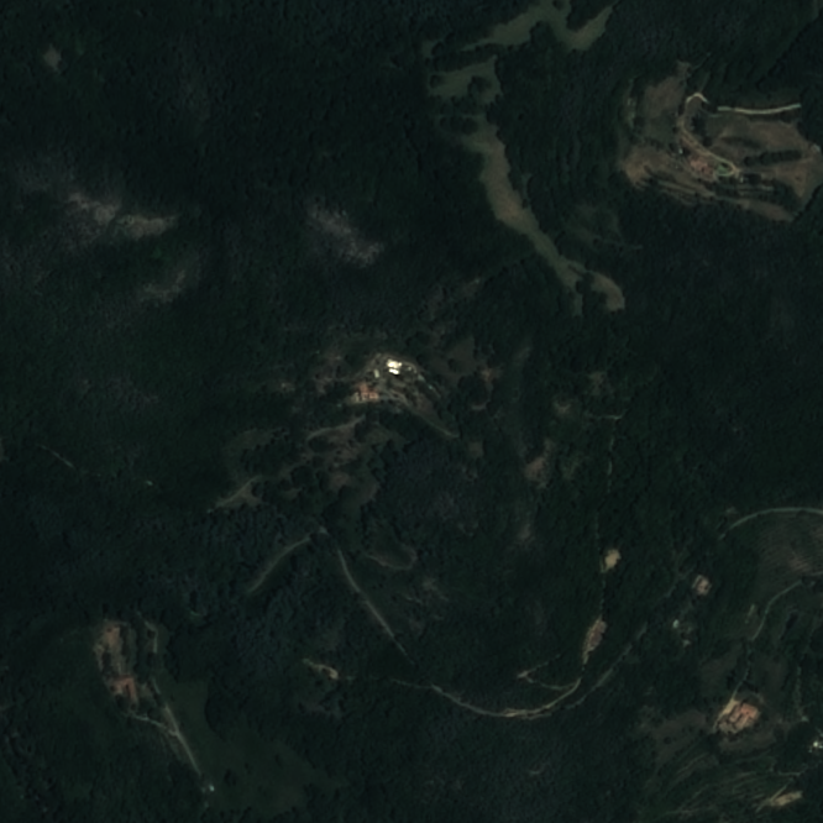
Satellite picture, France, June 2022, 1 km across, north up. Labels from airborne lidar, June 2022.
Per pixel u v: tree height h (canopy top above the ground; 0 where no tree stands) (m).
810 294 17
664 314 9
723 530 14
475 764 13
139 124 22
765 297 6
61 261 10
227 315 18
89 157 12
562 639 15
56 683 11
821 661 9
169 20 19
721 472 17
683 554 12
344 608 22
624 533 18
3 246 12
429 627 12
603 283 0
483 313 14
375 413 7
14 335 14
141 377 15
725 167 7
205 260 13
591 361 16
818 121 15
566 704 6
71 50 15
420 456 17
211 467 17
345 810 27
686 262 14
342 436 0
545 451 19
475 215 23
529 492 9
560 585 19
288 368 7
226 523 13
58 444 12
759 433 16
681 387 6
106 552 25
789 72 24
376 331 12
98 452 20
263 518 24
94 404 16
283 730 23
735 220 17
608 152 6
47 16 21
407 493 20
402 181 18
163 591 27
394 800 21
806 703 6
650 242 10
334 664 11
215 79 15
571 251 15
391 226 15
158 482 16
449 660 21
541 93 15
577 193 15
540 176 14
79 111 17
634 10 14
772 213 0
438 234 20
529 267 21
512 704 8
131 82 25
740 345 14
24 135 18
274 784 0
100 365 11
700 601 9
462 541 10
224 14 19
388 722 17
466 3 26
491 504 9
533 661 10
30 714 20
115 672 7
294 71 21
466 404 10
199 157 21
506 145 10
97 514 20
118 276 17
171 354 20
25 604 32
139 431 14
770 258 7
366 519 15
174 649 20
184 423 20
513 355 12
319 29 21
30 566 26
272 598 11
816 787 13
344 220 6
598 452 12
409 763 11
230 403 19
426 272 18
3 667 19
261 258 13
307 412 7
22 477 17
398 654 8
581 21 12
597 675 13
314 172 18
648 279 8
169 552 19
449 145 12
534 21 0
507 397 5
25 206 8
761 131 0
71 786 7
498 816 11
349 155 15
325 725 14
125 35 20
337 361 0
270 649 30
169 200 18
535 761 9
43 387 17
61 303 10
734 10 13
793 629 0
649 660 13
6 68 20
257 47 21
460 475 10
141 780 8
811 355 9
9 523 26
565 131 11
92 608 29
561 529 18
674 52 20
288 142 20
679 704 8
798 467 11
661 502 17
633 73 18
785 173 0
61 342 12
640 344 8
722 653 6
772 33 16
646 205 9
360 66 23
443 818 15
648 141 7
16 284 11
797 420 13
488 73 0
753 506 6
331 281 11
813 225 15
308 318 14
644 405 19
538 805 16
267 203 6
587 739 11
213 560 11
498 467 14
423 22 25
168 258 8
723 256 7
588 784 16
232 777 19
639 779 13
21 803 27
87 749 12
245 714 20
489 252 24
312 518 23
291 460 16
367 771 17
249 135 19
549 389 16
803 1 16
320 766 18
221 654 28
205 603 30
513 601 10
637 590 13
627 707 11
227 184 22
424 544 15
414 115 27
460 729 20
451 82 0
